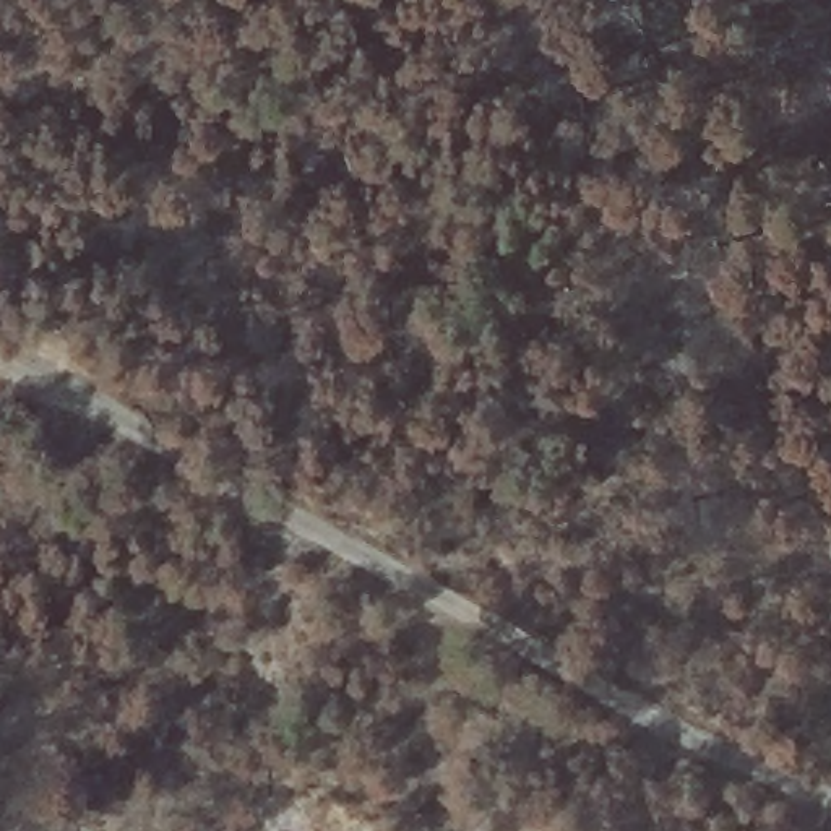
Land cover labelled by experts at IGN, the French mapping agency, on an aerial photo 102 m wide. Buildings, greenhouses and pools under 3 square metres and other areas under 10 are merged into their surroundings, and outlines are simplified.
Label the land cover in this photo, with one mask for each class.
<instances>
[{"label":"coniferous trees","instance_id":"1","mask_svg":"<svg viewBox=\"0 0 831 831\"><path fill-rule=\"evenodd\" d=\"M55 331L71 357L62 370L71 377V386L88 383L94 386V396H114L127 409L143 416V441L136 445L130 438H120L107 416H62L58 409L42 403L26 386V380H0V695L13 701H39V714L71 711L88 717L78 730H71V740L84 747V756L75 763L71 782L65 786V818L58 821L65 831H831V805H825L815 795H789L773 782L753 779V766L766 760L769 769L779 773L795 760L799 750L808 753L815 769H821L831 779V0H0V354L16 357L23 347H39L45 334ZM292 510L315 513L344 536L370 549H383L399 562L419 558L425 575H412L406 588H393L383 571L347 565L331 552L308 549L302 539L292 536L282 539ZM441 591H454L474 601L480 610H497L513 626H523L526 639L510 643L503 633L484 630L480 623H432L428 601ZM601 682H614L617 688L636 695L646 708L659 704L662 717L656 724H633L626 714L610 711L597 701Z\"/></svg>","mask_w":831,"mask_h":831},{"label":"pervious surface","instance_id":"2","mask_svg":"<svg viewBox=\"0 0 831 831\"><path fill-rule=\"evenodd\" d=\"M71 357L55 331L45 334L39 347H23L16 357L0 354V380H26V386L42 403L58 409L62 416H107L120 438H130L136 445L143 441V416L127 409L114 396H94V386L88 383L71 386V377L62 370ZM292 536L302 539L308 549L331 552L347 565L383 571L393 588H406L412 575H425L419 558L399 562L383 549H370L344 536L315 513L292 510L282 539ZM432 623H480L484 630L503 633L510 643L526 639L523 626H513L497 610H480L474 601L454 591H441L428 601ZM597 701L610 711L626 714L633 724H656L662 717L659 704L646 708L636 695L617 688L614 682H601ZM753 779L773 782L789 795H815L825 805H831V779L821 769H815L808 753L799 750L795 760L779 773L769 769L766 760L753 766Z\"/></svg>","mask_w":831,"mask_h":831},{"label":"bare soil","instance_id":"3","mask_svg":"<svg viewBox=\"0 0 831 831\"><path fill-rule=\"evenodd\" d=\"M39 701H13L0 695V831H65L58 821L65 818V786L71 782L75 763L84 756V747L71 740V730H78L88 717L71 711L39 714Z\"/></svg>","mask_w":831,"mask_h":831}]
</instances>
